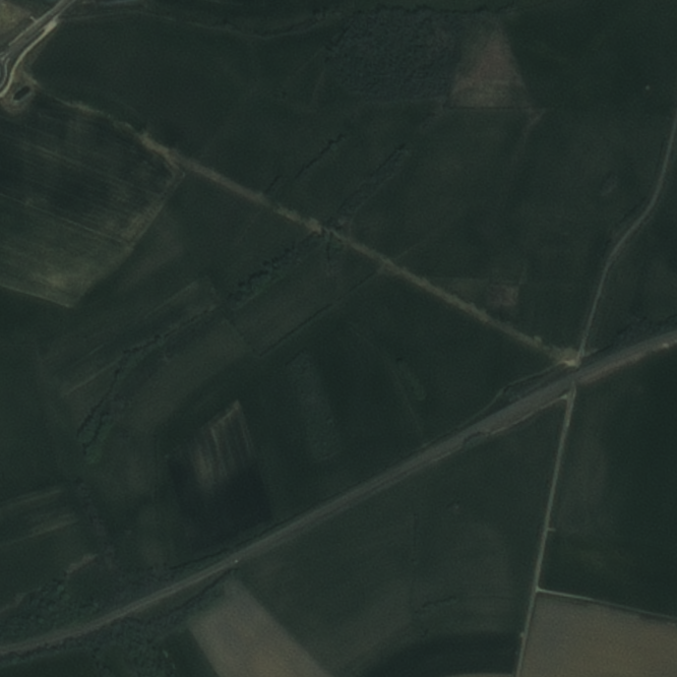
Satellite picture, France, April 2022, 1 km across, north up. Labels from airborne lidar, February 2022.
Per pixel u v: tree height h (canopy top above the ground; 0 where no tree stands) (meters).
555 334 0
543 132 0
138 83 0
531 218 0
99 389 0
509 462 0
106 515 0
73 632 0
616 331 0
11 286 0
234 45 0
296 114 0
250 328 0
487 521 0
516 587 0
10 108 0
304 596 0
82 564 0
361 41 26
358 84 6
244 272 0
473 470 0
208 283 0
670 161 0
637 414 0
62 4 0
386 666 0
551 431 0
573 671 0
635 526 0
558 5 0
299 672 0
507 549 0
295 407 0
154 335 0
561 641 0
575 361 0
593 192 0
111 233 0
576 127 0
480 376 0
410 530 0
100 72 0
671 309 0
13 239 0
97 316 0
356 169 0
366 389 0
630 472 0
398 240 0
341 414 0
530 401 0
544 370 0
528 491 0
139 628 18
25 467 0
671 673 0
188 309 0
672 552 0
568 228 0
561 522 0
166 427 0
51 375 0
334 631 0
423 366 0
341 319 0
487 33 0
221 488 0
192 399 0
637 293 0
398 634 0
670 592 0
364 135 0
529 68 0
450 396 0
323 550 0
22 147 0
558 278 0
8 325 0
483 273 0
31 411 0
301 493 0
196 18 0
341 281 0
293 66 0
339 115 0
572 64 0
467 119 0
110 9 0
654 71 0
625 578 0
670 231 0
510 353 0
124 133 0
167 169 0
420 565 0
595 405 0
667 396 0
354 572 0
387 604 0
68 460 0
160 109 0
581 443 0
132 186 0
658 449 0
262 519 0
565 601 0
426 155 0
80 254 0
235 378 0
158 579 9
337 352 0
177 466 0
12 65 0
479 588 0
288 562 0
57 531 0
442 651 0
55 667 0
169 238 0
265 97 0
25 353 0
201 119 0
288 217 0
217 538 0
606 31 0
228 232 0
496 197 0
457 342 0
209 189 0
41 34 0
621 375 0
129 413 0
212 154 0
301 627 0
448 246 0
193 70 0
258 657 0
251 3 0
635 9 0
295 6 0
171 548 0
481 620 0
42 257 0
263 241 0
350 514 0
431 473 0
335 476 0
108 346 0
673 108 0
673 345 0
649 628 0
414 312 0
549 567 0
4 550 0
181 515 0
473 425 0
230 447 0
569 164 0
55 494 0
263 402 0
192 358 0
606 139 0
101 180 0
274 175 0
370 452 0
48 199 0
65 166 0
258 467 0
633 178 0
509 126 0
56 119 0
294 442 0
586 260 0
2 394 0
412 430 0
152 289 0
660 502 0
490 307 0
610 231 0
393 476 0
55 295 0
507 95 0
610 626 0
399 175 0
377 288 0
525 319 0
